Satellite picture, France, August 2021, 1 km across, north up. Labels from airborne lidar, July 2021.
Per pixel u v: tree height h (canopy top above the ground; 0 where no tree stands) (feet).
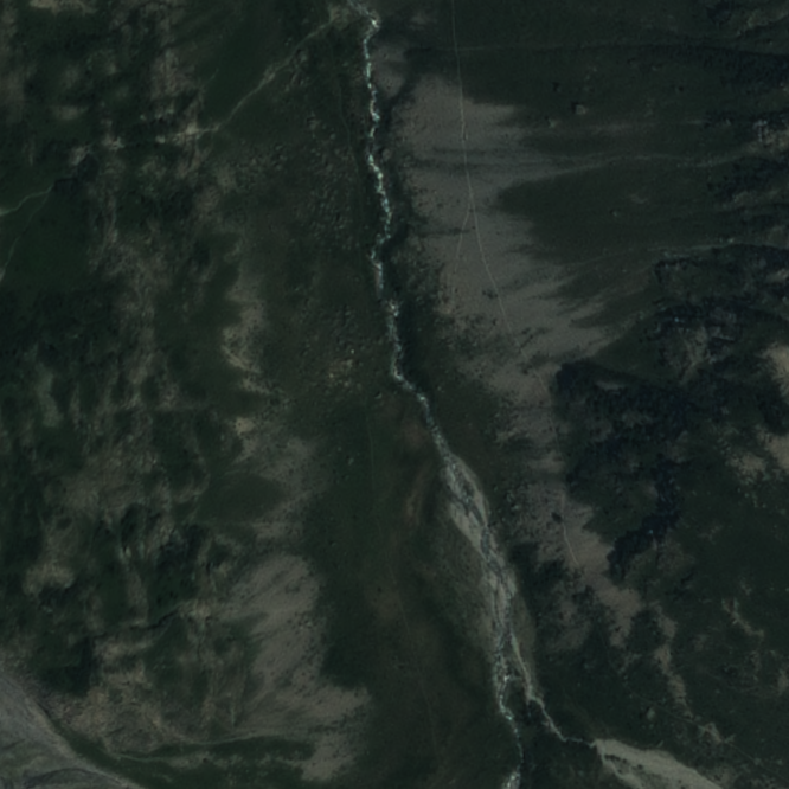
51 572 0
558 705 0
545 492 0
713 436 0
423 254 0
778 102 0
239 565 0
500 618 0
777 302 0
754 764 0
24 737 0
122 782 0
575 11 0
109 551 0
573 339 0
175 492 0
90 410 0
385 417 0
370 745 0
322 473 0
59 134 0
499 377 0
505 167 0
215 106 0
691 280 0
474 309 0
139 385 0
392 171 0
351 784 0
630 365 0
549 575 22
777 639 0
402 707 0
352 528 0
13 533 0
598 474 0
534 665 0
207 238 0
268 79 0
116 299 0
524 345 0
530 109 0
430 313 0
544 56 0
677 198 0
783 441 0
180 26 0
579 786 0
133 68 0
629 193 0
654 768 0
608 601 0
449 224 0
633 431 23
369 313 0
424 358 0
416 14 0
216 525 0
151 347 0
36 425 0
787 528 0
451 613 0
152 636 0
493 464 0
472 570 0
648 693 0
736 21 0
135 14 20
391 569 0
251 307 0
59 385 0
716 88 0
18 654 0
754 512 0
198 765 0
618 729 0
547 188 0
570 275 0
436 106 0
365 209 0
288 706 0
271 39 0
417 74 0
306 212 0
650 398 35
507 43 0
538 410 0
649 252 0
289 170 0
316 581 0
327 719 0
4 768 0
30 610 0
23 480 0
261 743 0
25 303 0
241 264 0
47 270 0
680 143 0
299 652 0
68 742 0
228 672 0
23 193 0
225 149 0
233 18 0
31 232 0
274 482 0
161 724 0
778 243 0
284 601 0
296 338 0
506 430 0
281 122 0
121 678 0
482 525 0
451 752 0
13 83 0
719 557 0
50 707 0
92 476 0
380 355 0
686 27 0
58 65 0
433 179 0
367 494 0
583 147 0
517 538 0
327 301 0
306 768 0
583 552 0
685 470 23
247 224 0
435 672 0
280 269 0
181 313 0
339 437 0
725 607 0
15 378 0
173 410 0
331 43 0
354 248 0
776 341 0
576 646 0
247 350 0
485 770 0
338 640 0
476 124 0
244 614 0
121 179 0
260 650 0
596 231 0
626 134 0
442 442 0
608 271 0
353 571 0
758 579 0
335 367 0
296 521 0
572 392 25
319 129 0
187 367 0
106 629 0
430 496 0
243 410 0
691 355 0
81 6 0
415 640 0
